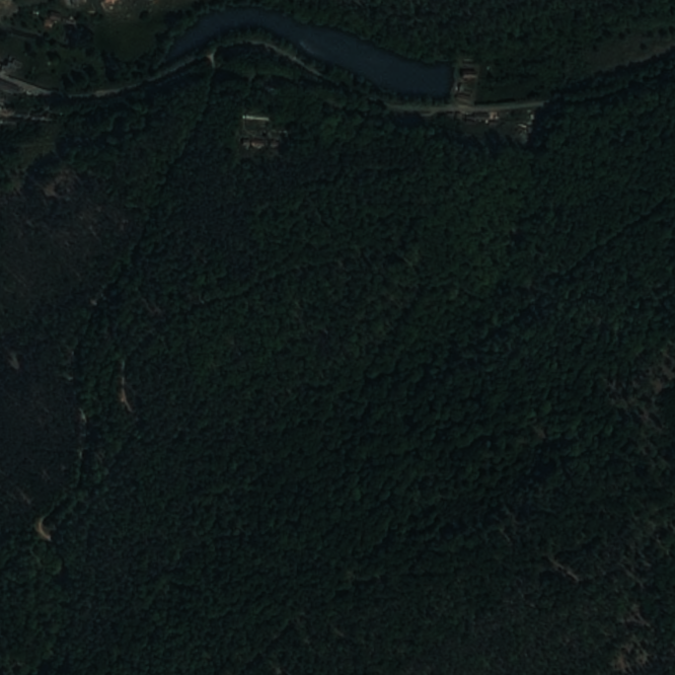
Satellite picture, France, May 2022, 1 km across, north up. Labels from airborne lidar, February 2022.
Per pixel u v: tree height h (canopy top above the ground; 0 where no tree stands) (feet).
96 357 100
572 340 98
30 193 81
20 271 83
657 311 96
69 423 78
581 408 87
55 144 0
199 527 97
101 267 95
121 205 88
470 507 34
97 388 94
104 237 87
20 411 68
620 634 86
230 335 88
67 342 97
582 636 90
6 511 54
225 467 90
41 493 62
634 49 0
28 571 105
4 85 0
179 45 0
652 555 103
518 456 22
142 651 84
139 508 100
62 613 108
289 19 0
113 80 71
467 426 108
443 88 0
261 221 68
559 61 0
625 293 94
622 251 104
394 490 114
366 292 91
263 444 99
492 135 0
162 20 0
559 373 99
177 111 80
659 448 96
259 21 0
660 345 104
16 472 60
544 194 117
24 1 0
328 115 96
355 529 98
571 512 83
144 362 91
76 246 83
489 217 90
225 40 63
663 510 86
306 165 89
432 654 76
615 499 87
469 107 0
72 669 117
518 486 22
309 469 105
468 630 75
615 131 106
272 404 98
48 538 0
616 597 86
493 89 22
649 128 86
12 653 111
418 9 74
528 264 88
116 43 0
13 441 71
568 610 80
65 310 106
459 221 86
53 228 85
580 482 102
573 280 97
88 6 0
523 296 108
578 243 112
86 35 77
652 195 97
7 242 83
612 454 100
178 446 83
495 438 115
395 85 0
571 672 90
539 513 96
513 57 49
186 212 94
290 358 95
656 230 100
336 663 88
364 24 82
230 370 82
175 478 93
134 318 77
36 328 96
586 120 102
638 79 65
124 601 91
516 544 96
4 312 66
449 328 108
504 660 76
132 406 27
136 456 108
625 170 94
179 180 100
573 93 80
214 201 89
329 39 0
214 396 92
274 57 49
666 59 31
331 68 58
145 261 94
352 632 95
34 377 89
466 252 65
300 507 107
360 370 106
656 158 99
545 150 98
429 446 113
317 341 90
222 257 91
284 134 0
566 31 87
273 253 74
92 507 108
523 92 0
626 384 105
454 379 116
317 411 84
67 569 102
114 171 81
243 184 78
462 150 82
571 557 83
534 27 96
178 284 101
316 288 82
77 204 78
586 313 94
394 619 81
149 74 28
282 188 89
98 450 96
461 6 110
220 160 78
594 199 91
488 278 105
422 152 73
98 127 85
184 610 91
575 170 84
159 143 99
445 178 77
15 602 100
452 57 88
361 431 108
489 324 117
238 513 108
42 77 0
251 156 0
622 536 93
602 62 0
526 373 91
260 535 98
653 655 31
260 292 67
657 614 67
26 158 0
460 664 81
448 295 97
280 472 103
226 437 102
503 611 84
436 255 77
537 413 94
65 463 63
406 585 93
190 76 37
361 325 83
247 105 74
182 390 96
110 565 102
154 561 101
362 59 0
